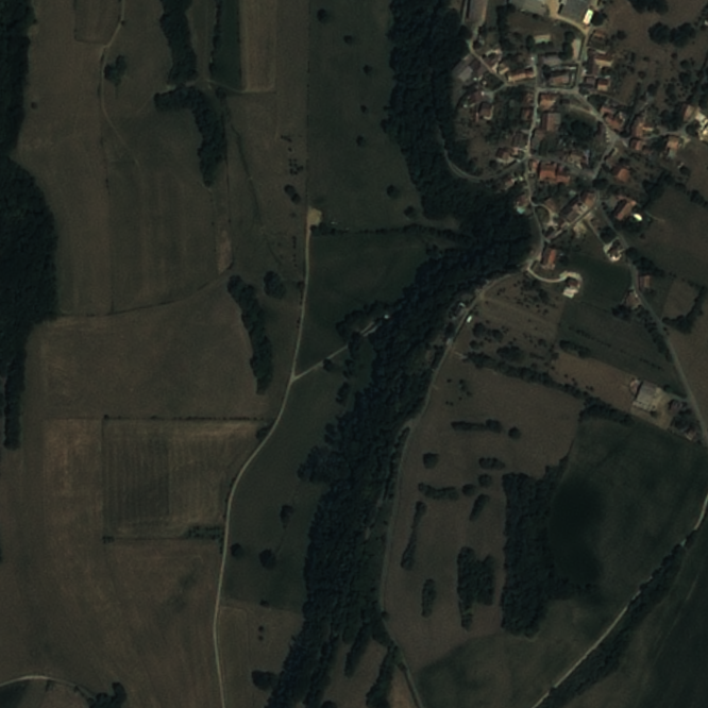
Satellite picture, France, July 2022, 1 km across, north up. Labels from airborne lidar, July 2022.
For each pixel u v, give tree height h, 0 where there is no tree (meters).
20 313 21
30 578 0
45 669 0
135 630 0
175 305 0
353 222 0
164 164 0
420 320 19
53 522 0
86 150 0
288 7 0
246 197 0
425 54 20
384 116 0
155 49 0
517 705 0
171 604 0
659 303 0
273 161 0
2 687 0
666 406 0
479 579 14
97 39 0
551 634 0
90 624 0
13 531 0
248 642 0
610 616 0
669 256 0
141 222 0
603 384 0
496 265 24
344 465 24
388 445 10
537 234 0
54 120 0
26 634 0
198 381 0
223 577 0
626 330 0
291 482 0
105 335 0
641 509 0
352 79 0
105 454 0
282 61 0
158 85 0
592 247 0
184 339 0
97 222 0
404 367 18
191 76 18
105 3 0
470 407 0
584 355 11
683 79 15
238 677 0
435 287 21
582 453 0
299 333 0
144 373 0
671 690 0
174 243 0
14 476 0
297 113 0
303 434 0
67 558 0
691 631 0
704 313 10
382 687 10
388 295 0
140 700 0
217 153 19
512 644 0
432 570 0
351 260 0
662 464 0
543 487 10
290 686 20
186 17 15
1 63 23
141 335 0
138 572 0
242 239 0
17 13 22
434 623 0
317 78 0
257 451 0
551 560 8
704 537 0
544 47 11
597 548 0
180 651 0
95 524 0
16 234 8
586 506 0
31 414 0
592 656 6
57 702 0
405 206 0
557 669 0
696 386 0
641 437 0
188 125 0
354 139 0
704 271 0
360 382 0
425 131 19
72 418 0
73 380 0
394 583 0
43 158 0
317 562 19
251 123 0
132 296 0
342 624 15
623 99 0
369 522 13
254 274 0
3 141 25
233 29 0
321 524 21
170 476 0
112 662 0
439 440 0
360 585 8
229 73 0
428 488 8
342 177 0
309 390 0
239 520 0
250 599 0
